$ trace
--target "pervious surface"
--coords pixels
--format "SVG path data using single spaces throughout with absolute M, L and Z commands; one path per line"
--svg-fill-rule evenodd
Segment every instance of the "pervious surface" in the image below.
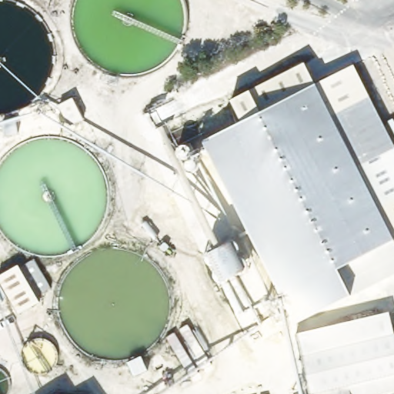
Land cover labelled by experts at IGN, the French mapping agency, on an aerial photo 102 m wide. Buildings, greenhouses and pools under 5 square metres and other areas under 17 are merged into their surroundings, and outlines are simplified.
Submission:
M 376 316 L 383 312 L 389 314 L 394 331 L 394 274 L 365 289 L 357 289 L 352 285 L 349 295 L 326 306 L 328 311 L 317 312 L 314 316 L 306 317 L 299 322 L 297 328 L 289 328 L 285 295 L 275 289 L 234 206 L 226 202 L 208 166 L 203 162 L 194 163 L 195 180 L 191 180 L 188 186 L 185 186 L 169 169 L 152 162 L 139 152 L 132 151 L 128 146 L 111 139 L 98 129 L 86 125 L 82 119 L 71 122 L 71 125 L 60 123 L 57 134 L 88 143 L 85 151 L 88 152 L 98 152 L 98 162 L 109 162 L 109 166 L 114 169 L 117 208 L 112 219 L 105 214 L 97 231 L 86 240 L 85 245 L 78 246 L 74 251 L 45 254 L 43 259 L 37 255 L 18 254 L 11 255 L 0 265 L 0 274 L 12 266 L 20 268 L 25 263 L 35 262 L 49 289 L 57 295 L 69 269 L 80 262 L 83 255 L 91 254 L 92 248 L 97 248 L 102 243 L 109 243 L 112 249 L 129 249 L 137 252 L 143 259 L 151 262 L 157 260 L 160 263 L 159 269 L 163 280 L 169 289 L 171 303 L 168 322 L 162 332 L 162 345 L 160 348 L 157 345 L 152 346 L 151 351 L 137 359 L 123 362 L 98 360 L 94 365 L 86 365 L 83 359 L 77 357 L 77 351 L 72 348 L 63 331 L 57 329 L 52 317 L 48 316 L 43 319 L 42 325 L 32 326 L 31 334 L 22 340 L 22 346 L 28 346 L 37 339 L 48 340 L 54 346 L 55 362 L 51 363 L 51 371 L 43 374 L 32 374 L 23 368 L 22 360 L 9 343 L 6 329 L 0 325 L 0 363 L 11 372 L 11 383 L 6 394 L 311 394 L 300 342 L 302 332 Z M 212 263 L 211 252 L 223 245 L 229 246 L 232 254 L 237 257 L 239 268 L 243 269 L 242 274 L 231 277 L 226 282 L 217 275 L 212 275 L 209 268 Z
M 383 125 L 389 120 L 394 120 L 394 46 L 382 51 L 368 51 L 365 46 L 360 45 L 356 51 L 362 60 L 354 66 Z

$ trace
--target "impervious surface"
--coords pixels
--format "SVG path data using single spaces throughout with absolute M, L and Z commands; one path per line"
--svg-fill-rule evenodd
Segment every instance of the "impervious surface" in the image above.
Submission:
M 105 177 L 105 214 L 112 219 L 117 208 L 114 169 L 109 166 L 109 162 L 98 162 L 98 152 L 88 152 L 91 159 L 97 162 L 98 168 L 102 169 Z
M 203 162 L 200 149 L 203 140 L 237 123 L 237 115 L 231 103 L 237 95 L 300 63 L 305 63 L 314 85 L 340 69 L 354 66 L 362 60 L 356 51 L 360 45 L 365 46 L 368 51 L 382 51 L 394 46 L 394 0 L 179 0 L 183 12 L 182 32 L 189 43 L 192 40 L 220 40 L 231 37 L 235 32 L 254 31 L 257 23 L 272 22 L 277 20 L 279 14 L 285 12 L 291 26 L 277 45 L 254 52 L 242 62 L 226 66 L 222 71 L 215 72 L 209 77 L 199 78 L 197 82 L 185 83 L 182 88 L 174 86 L 172 92 L 166 91 L 165 83 L 171 75 L 179 72 L 179 63 L 183 62 L 183 48 L 182 45 L 175 46 L 171 57 L 148 75 L 122 74 L 115 77 L 105 74 L 91 65 L 75 45 L 71 31 L 72 0 L 12 0 L 18 8 L 31 8 L 38 22 L 45 23 L 48 28 L 48 40 L 54 49 L 52 72 L 46 80 L 45 88 L 32 98 L 31 105 L 9 112 L 5 117 L 0 115 L 0 162 L 11 149 L 35 135 L 54 134 L 58 140 L 65 139 L 66 142 L 75 143 L 85 151 L 88 143 L 57 134 L 60 123 L 71 125 L 71 122 L 62 114 L 60 108 L 60 103 L 66 100 L 74 100 L 82 119 L 86 125 L 98 129 L 111 139 L 128 146 L 132 151 L 139 152 L 152 162 L 169 169 L 185 186 L 188 186 L 191 180 L 195 180 L 194 163 Z
M 11 255 L 18 254 L 14 243 L 9 242 L 0 231 L 0 265 Z

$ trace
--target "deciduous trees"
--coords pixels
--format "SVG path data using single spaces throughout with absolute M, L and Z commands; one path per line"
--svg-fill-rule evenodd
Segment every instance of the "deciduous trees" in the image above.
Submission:
M 272 22 L 257 23 L 254 31 L 235 32 L 231 37 L 220 40 L 192 40 L 189 43 L 183 48 L 183 62 L 179 63 L 179 72 L 171 75 L 165 83 L 166 91 L 172 92 L 174 86 L 182 88 L 185 83 L 197 82 L 199 78 L 209 77 L 215 72 L 222 71 L 226 66 L 242 62 L 254 52 L 277 45 L 291 26 L 285 12 L 279 14 L 277 20 Z

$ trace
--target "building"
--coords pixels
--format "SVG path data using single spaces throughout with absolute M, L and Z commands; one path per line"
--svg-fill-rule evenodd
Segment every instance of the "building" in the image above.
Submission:
M 243 269 L 239 268 L 237 257 L 232 254 L 229 246 L 223 245 L 211 252 L 212 263 L 209 268 L 212 275 L 217 275 L 226 282 L 231 277 L 242 274 Z
M 46 311 L 49 308 L 58 306 L 57 295 L 49 289 L 35 262 L 25 263 L 20 268 L 12 266 L 0 274 L 0 325 L 6 329 L 9 343 L 22 360 L 23 368 L 32 374 L 43 374 L 51 371 L 51 363 L 55 362 L 54 346 L 48 340 L 37 339 L 28 346 L 22 346 L 22 340 L 31 334 L 32 326 L 42 325 L 43 319 L 48 316 Z
M 394 120 L 389 120 L 383 125 L 354 66 L 340 69 L 314 85 L 305 63 L 300 63 L 237 95 L 231 103 L 237 115 L 237 123 L 203 140 L 200 149 L 203 162 L 208 166 L 226 202 L 234 206 L 275 289 L 285 295 L 289 328 L 297 328 L 299 322 L 306 317 L 314 316 L 317 312 L 328 311 L 326 306 L 349 295 L 352 285 L 357 289 L 365 289 L 394 274 Z
M 71 122 L 82 119 L 74 100 L 66 100 L 60 103 L 60 108 L 62 114 Z
M 389 314 L 383 312 L 376 316 L 302 332 L 300 342 L 311 394 L 394 394 L 394 331 Z

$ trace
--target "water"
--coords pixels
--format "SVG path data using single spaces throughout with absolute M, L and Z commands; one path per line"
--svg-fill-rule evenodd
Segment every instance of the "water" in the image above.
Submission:
M 32 98 L 45 88 L 46 80 L 52 72 L 54 49 L 48 40 L 48 28 L 45 23 L 38 22 L 31 8 L 18 8 L 12 0 L 0 0 L 0 115 L 5 117 L 9 112 L 31 105 Z
M 189 43 L 182 32 L 183 12 L 179 0 L 72 0 L 71 31 L 75 45 L 91 65 L 105 74 L 115 77 L 122 74 L 148 75 L 171 57 L 175 46 L 182 45 L 183 48 Z
M 0 394 L 6 394 L 11 383 L 11 372 L 0 363 Z
M 162 332 L 168 322 L 171 303 L 169 289 L 163 280 L 159 269 L 160 263 L 157 260 L 151 262 L 143 259 L 137 252 L 129 249 L 112 249 L 109 243 L 102 243 L 97 248 L 92 248 L 91 254 L 83 255 L 80 262 L 69 269 L 57 295 L 58 306 L 49 308 L 46 311 L 48 316 L 52 317 L 57 329 L 63 331 L 72 348 L 77 351 L 77 357 L 83 359 L 86 365 L 94 365 L 98 360 L 123 362 L 137 359 L 151 351 L 152 346 L 157 345 L 160 348 L 162 345 Z
M 78 246 L 85 245 L 86 240 L 97 231 L 105 214 L 105 177 L 102 169 L 98 168 L 97 162 L 91 159 L 88 152 L 85 151 L 75 143 L 66 142 L 65 139 L 58 140 L 54 134 L 35 135 L 11 149 L 0 162 L 0 231 L 9 242 L 14 243 L 18 254 L 37 255 L 43 259 L 45 254 L 74 251 Z

